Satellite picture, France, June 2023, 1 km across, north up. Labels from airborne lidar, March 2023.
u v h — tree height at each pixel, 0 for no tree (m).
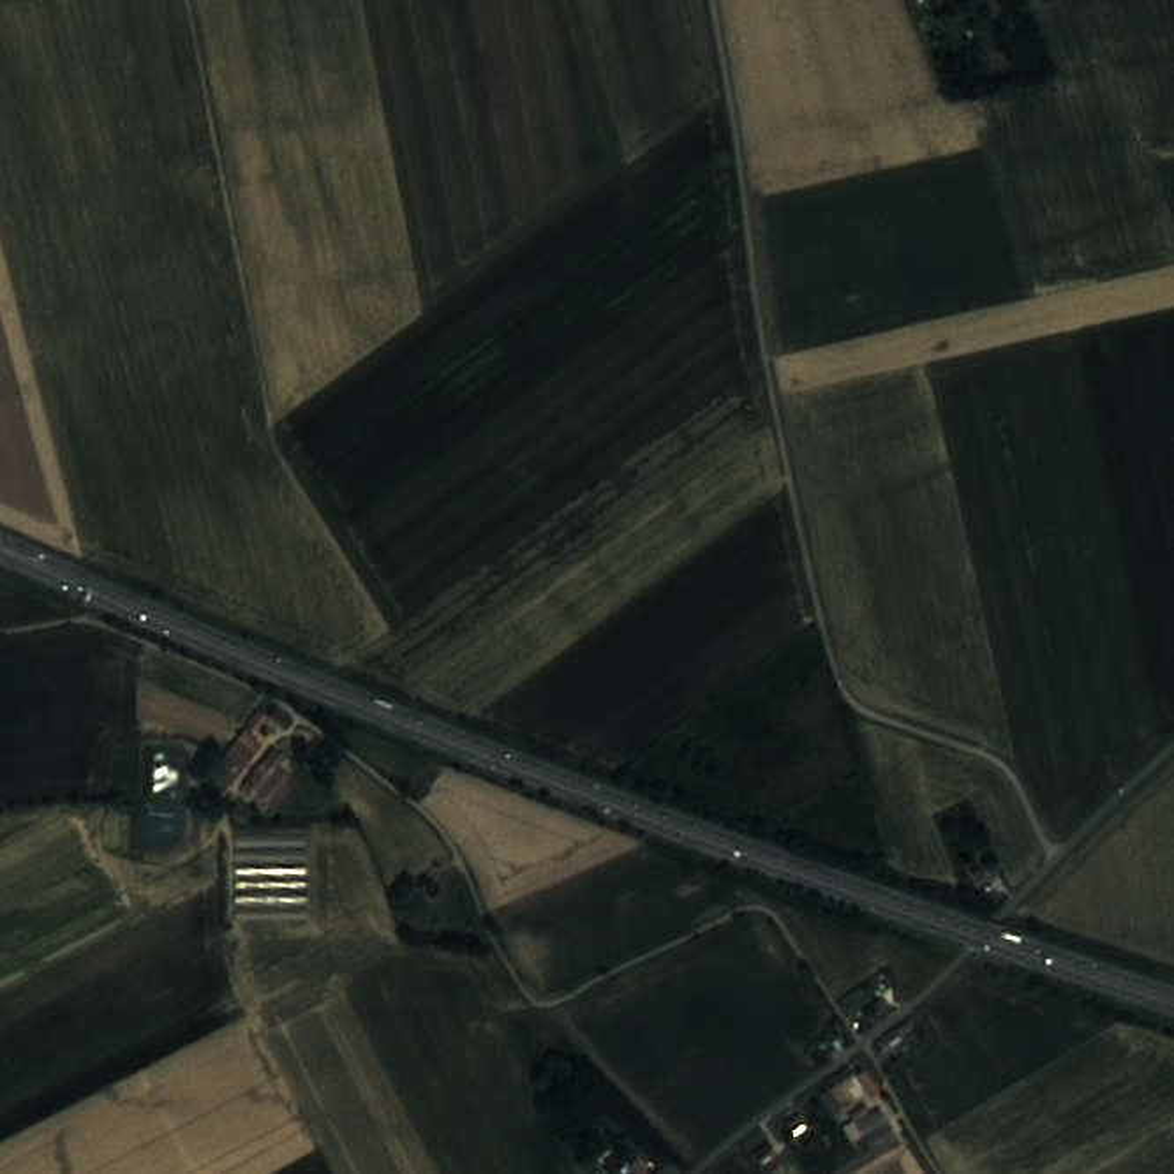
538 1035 0
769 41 0
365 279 0
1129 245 0
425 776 0
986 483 0
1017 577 0
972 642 0
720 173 0
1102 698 0
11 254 0
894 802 0
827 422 0
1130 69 0
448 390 0
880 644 0
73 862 0
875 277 0
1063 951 0
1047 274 0
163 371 0
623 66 0
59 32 0
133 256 0
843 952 0
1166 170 0
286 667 0
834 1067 0
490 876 0
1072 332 0
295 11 0
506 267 0
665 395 0
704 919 0
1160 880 0
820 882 0
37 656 0
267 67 0
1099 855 0
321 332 0
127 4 0
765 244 0
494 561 0
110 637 0
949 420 0
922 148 0
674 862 0
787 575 0
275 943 0
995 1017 0
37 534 0
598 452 0
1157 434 0
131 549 0
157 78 0
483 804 0
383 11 0
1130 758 0
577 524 0
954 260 0
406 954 0
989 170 0
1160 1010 0
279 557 0
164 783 0
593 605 0
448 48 0
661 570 0
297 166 0
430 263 0
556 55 0
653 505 0
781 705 0
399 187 0
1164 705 0
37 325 0
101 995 0
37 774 0
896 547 0
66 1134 0
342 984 0
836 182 0
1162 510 0
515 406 0
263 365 0
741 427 0
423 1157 0
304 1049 0
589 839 0
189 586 0
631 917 0
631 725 0
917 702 0
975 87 18
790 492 0
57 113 0
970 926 0
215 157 0
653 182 0
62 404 0
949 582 0
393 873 0
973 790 0
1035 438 0
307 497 0
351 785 0
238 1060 0
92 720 0
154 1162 0
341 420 0
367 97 0
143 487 0
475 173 0
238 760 0
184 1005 0
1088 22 0
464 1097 0
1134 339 0
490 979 0
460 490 0
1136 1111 0
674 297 0
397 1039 0
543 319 0
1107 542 0
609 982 0
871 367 0
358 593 0
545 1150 0
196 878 0
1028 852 0
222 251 0
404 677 0
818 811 0
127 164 0
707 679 0
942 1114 0
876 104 0
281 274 0
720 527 0
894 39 0
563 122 0
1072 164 0
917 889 8
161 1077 0
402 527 0
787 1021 0
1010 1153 0
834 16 0
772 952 0
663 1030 0
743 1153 0
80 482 0
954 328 0
